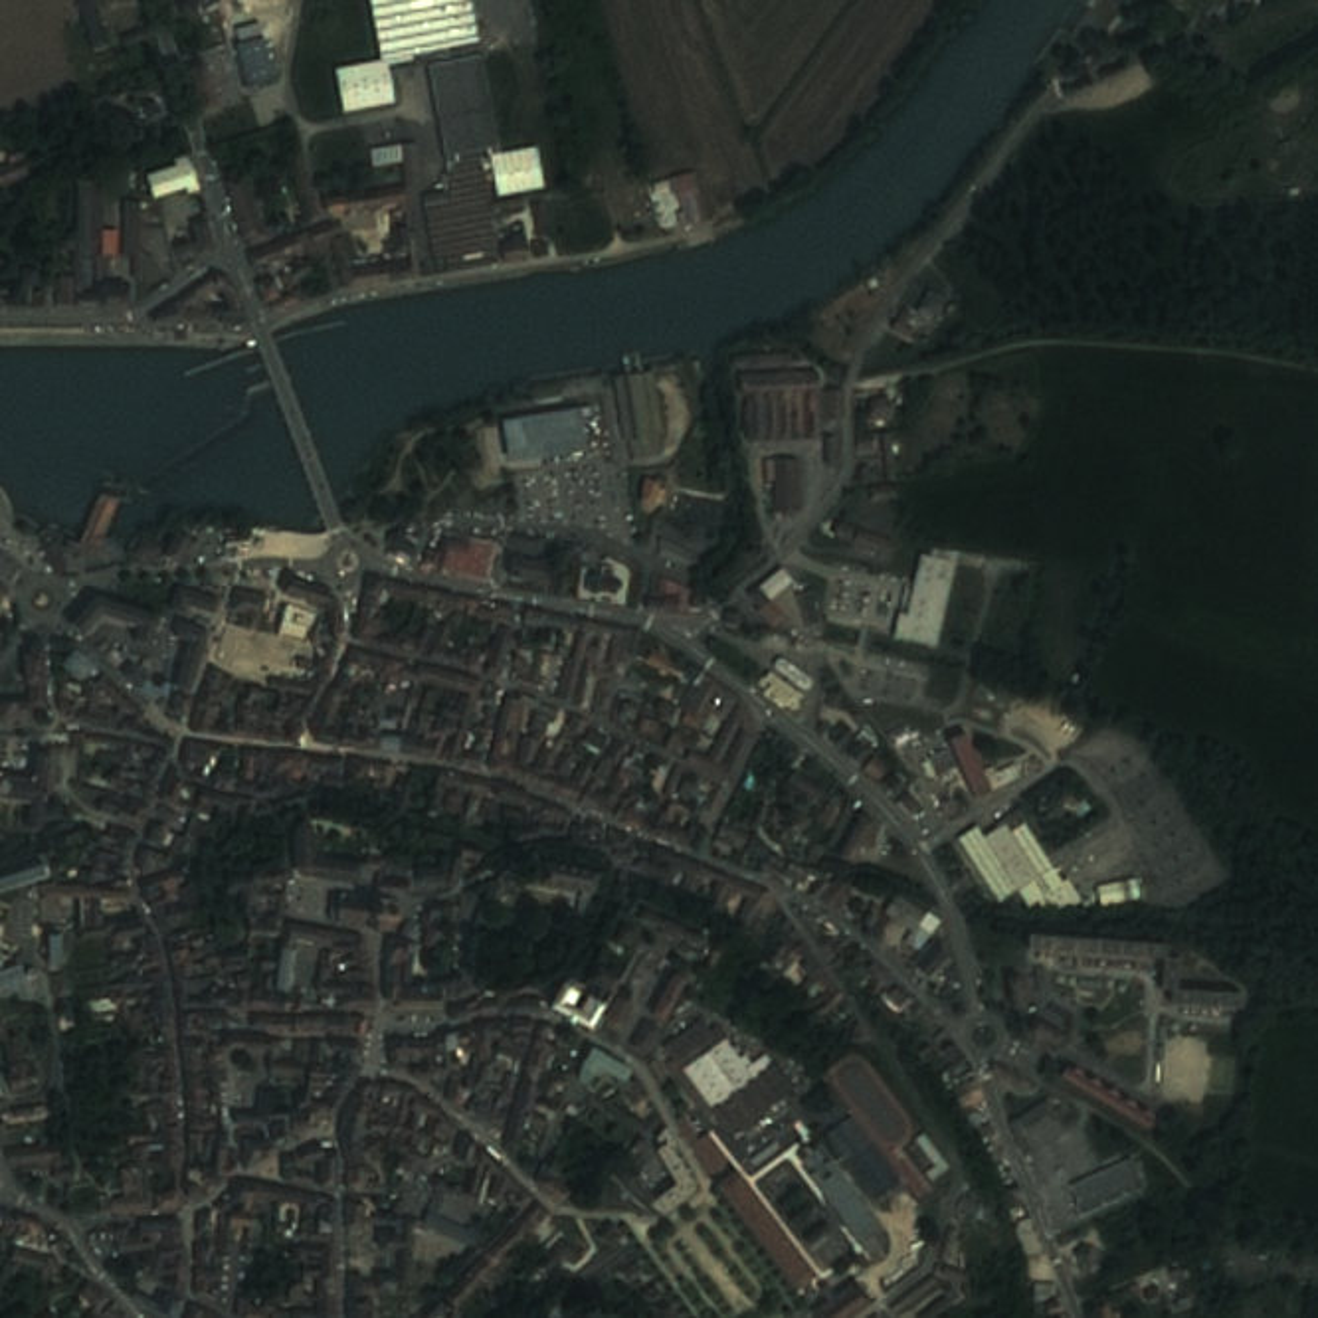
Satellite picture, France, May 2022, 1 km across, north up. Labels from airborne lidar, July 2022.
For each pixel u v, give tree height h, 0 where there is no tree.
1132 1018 0
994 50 0
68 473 0
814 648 0
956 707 0
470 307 0
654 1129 0
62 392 0
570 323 0
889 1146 0
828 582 0
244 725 0
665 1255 7
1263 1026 18
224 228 0
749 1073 0
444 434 10
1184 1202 0
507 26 0
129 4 0
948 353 14
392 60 0
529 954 20
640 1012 0
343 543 0
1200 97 23
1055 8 0
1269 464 0
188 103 20
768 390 0
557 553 15
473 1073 0
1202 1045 0
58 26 0
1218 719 0
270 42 0
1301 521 0
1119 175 22
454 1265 13
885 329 0
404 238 0
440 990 0
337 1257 0
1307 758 0
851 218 0
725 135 0
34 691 0
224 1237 0
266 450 0
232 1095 0
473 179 0
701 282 0
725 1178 0
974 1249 0
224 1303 0
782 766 8
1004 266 23
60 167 15
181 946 0
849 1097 0
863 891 15
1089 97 0
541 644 9
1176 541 0
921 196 0
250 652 0
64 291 0
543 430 0
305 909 0
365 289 0
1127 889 0
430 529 0
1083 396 0
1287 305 6
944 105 0
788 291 0
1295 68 24
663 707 0
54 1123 10
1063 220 25
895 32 0
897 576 0
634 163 14
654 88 0
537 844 15
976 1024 0
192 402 0
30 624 0
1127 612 27
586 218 0
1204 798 15
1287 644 0
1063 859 0
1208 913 11
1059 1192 0
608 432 0
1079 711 18
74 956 0
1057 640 0
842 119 0
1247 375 0
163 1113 0
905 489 0
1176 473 0
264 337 0
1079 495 0
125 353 0
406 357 0
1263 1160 0
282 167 14
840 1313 0
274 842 8
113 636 0
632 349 0
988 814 0
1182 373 0
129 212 0
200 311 0
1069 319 21
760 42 0
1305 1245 21
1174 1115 16
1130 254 24
